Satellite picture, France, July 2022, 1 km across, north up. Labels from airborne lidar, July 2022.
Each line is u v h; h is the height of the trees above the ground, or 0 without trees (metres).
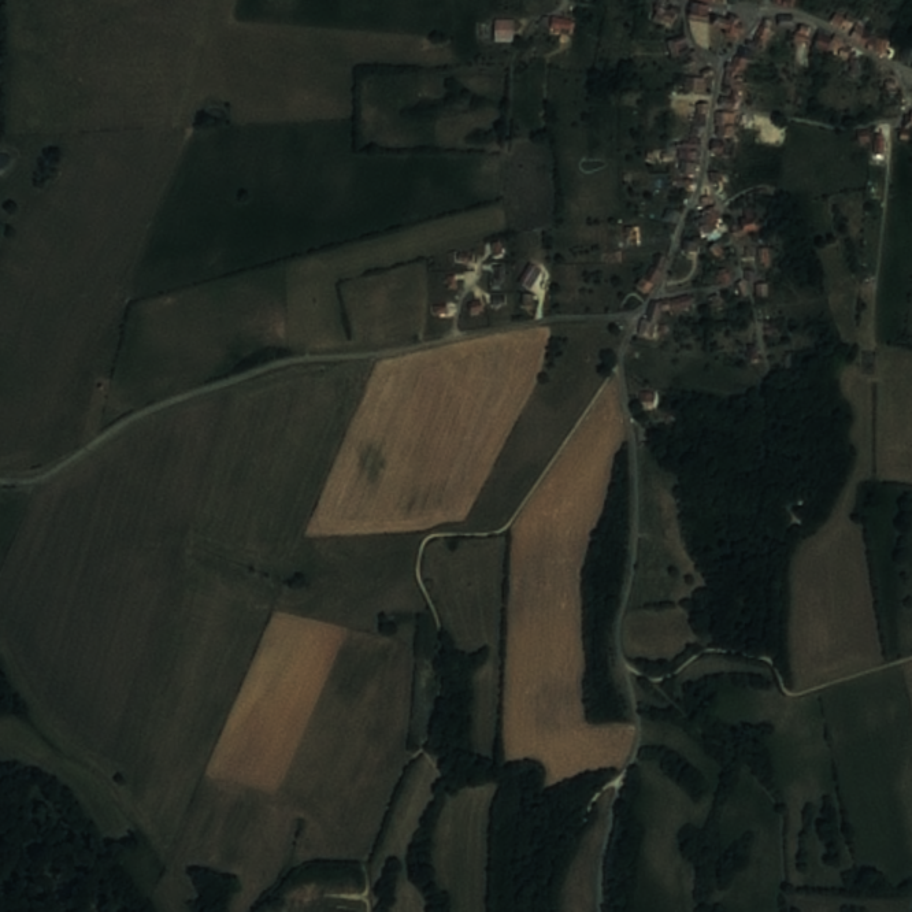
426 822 15
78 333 0
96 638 0
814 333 7
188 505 0
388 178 0
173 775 0
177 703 0
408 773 7
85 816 19
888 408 0
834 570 0
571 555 0
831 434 15
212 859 0
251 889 0
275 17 0
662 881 0
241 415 0
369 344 0
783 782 0
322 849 0
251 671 0
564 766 0
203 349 0
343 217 0
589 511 0
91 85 0
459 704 14
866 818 0
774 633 14
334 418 0
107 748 0
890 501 0
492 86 0
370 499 0
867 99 0
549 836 12
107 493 0
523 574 0
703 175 0
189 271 0
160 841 0
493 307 0
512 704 0
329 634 0
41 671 0
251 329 0
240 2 0
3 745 0
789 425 16
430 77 0
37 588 0
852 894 6
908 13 8
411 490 0
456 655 10
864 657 0
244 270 5
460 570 0
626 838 18
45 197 0
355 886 0
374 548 0
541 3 0
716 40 0
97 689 0
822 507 11
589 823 6
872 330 0
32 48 0
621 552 7
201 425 0
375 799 0
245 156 0
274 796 0
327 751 0
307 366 0
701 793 10
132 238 0
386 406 0
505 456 0
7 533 0
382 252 0
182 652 0
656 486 0
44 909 26
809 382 16
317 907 0
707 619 17
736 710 0
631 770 11
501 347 0
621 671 0
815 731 0
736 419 6
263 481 0
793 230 23
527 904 13
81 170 0
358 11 0
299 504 0
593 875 0
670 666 11
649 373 0
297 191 0
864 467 0
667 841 0
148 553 0
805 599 0
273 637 0
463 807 0
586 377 0
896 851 0
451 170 0
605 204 0
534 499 0
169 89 0
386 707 0
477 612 0
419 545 0
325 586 0
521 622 0
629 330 0
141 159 0
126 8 0
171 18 0
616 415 0
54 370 0
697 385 0
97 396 0
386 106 0
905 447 0
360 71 6
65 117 0
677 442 10
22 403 0
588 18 7
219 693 0
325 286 0
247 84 0
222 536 0
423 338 0
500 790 7
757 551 9
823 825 17
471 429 0
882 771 0
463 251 0
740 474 9
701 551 17
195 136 0
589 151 0
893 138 0
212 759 0
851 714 0
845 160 0
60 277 0
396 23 0
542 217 0
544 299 0
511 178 0
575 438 0
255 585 0
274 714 0
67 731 0
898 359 0
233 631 0
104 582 0
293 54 0
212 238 0
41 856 30
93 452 0
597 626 11
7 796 28
